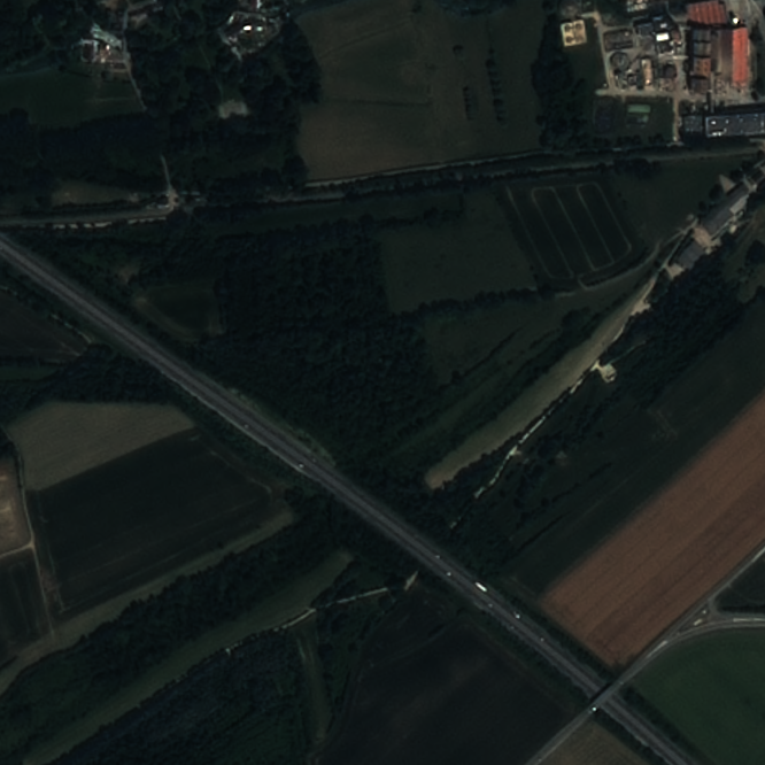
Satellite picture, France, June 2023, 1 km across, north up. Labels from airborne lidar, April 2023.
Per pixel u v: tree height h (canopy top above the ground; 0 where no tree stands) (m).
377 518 0
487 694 0
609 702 0
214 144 25
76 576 0
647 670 0
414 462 6
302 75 17
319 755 0
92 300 0
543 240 0
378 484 15
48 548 0
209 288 0
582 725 0
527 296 15
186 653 0
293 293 11
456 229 0
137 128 34
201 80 25
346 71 0
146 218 0
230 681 15
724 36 0
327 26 0
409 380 22
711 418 0
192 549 0
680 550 0
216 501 0
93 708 6
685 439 0
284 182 25
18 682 7
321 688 0
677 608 0
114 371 9
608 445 0
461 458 0
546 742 0
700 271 20
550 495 0
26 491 0
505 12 0
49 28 25
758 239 0
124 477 0
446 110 0
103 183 7
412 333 21
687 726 0
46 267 0
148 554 0
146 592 0
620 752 0
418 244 0
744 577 0
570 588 0
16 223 0
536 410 0
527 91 0
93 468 0
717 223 0
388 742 0
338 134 0
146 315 0
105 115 0
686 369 6
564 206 0
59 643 0
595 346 0
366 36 0
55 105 0
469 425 5
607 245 0
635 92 0
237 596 23
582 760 0
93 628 0
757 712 0
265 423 0
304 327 26
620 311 0
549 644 0
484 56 0
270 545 9
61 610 0
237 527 0
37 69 0
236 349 22
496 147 0
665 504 0
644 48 0
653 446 0
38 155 40
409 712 0
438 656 0
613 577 0
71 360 0
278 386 12
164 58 18
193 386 0
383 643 0
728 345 0
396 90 0
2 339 0
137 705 0
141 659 14
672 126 0
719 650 0
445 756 0
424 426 7
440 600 0
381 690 0
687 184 0
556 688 0
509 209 0
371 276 13
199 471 0
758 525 0
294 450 0
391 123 0
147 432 0
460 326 0
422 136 0
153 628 20
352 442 14
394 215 0
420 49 0
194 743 5
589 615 0
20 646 0
